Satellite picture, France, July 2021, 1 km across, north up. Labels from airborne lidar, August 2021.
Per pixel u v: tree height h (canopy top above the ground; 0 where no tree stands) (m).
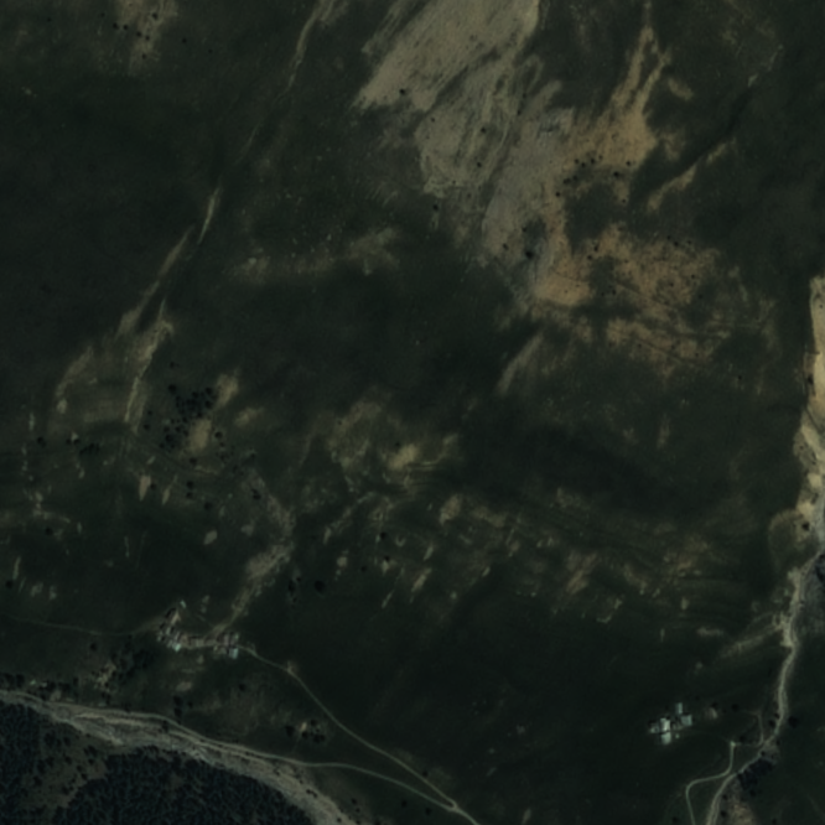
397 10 0
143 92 0
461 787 0
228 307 0
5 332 0
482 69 0
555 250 0
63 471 0
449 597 0
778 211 0
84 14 0
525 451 0
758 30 0
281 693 0
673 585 0
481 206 0
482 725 0
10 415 0
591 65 0
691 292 0
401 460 0
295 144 0
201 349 0
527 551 0
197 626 0
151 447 0
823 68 0
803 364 0
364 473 0
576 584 0
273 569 0
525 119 0
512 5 0
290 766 0
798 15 0
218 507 0
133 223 0
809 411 0
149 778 9
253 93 0
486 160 0
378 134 0
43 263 0
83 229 0
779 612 0
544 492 0
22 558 0
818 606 0
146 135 0
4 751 17
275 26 0
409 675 0
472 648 0
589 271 0
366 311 0
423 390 0
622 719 0
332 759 0
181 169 0
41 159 0
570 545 0
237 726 0
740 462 0
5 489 0
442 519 0
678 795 0
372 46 0
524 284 0
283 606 0
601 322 0
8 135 0
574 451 0
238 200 0
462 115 0
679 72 0
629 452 0
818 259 0
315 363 0
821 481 0
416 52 0
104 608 0
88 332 0
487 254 0
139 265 0
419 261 0
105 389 0
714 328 0
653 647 0
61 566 0
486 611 0
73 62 0
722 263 0
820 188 0
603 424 0
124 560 0
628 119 0
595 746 0
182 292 0
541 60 0
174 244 0
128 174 0
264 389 0
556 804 0
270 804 24
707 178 0
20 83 0
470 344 0
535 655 0
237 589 0
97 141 0
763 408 0
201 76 0
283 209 0
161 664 0
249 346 0
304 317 0
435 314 0
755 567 0
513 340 0
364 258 0
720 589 0
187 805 12
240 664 0
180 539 0
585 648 0
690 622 0
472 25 0
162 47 0
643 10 0
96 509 0
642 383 0
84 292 0
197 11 0
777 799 0
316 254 0
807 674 0
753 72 0
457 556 0
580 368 0
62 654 0
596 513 0
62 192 0
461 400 0
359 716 0
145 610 0
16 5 0
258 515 0
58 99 0
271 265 0
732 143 0
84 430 0
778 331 0
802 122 0
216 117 0
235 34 0
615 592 0
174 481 0
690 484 0
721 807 0
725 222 0
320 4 0
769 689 0
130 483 0
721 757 0
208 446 0
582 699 0
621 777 0
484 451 0
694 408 0
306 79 0
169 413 0
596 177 0
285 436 0
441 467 0
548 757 0
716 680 0
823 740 0
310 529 0
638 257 0
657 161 0
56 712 0
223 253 0
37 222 0
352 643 0
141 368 0
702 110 0
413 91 0
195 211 0
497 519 0
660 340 0
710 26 0
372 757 0
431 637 0
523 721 0
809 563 0
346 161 0
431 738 0
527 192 0
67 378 0
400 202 0
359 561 0
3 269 0
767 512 0
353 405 0
